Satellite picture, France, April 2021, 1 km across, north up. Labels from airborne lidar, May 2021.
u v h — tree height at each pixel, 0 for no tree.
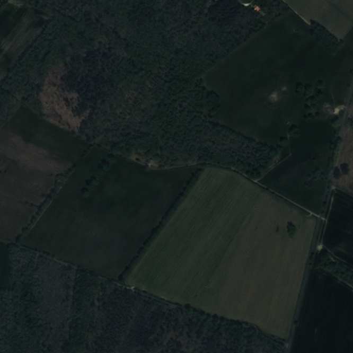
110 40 24
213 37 11
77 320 20
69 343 6
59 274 10
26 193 0
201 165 14
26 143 0
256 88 0
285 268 0
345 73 0
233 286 0
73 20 17
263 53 0
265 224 0
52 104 0
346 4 0
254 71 0
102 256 0
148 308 7
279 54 0
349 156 0
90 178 0
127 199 0
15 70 10
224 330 19
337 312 0
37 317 6
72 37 15
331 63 0
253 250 0
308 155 0
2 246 0
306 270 0
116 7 15
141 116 12
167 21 11
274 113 0
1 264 0
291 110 0
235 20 22
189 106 11
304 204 0
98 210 0
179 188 0
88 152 7
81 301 25
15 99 22
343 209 0
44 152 0
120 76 16
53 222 0
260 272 0
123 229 0
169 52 16
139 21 11
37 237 0
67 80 13
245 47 0
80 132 11
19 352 23
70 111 0
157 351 8
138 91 8
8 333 21
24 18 0
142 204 0
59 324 16
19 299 14
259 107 0
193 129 7
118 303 20
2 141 0
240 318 0
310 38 0
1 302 20
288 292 0
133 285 0
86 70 7
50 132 0
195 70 17
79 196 0
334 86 0
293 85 0
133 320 17
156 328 10
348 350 0
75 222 0
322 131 0
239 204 0
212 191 0
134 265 12
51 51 14
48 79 9
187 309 15
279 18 8
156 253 0
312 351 0
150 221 0
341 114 0
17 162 0
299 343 0
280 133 0
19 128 0
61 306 12
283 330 0
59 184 8
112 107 8
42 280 16
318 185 0
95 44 11
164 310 9
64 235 0
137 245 0
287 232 0
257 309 0
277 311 0
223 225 0
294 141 0
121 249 0
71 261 0
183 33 16
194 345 14
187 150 14
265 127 0
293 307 0
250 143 20
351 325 0
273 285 0
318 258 0
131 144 18
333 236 0
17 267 17
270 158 12
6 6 0
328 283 0
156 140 20
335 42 12
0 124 15
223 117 0
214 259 0
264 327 0
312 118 14
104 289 18
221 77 0
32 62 18
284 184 0
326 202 6
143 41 19
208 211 0
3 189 0
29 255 17
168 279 0
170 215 11
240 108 0
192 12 7
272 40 0
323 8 0
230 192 0
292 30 0
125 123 10
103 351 17
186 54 15
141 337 9
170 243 0
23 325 16
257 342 16
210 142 15
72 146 0
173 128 18
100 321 12
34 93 17
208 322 23
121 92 7
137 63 8
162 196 0
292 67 0
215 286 0
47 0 11
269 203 0
